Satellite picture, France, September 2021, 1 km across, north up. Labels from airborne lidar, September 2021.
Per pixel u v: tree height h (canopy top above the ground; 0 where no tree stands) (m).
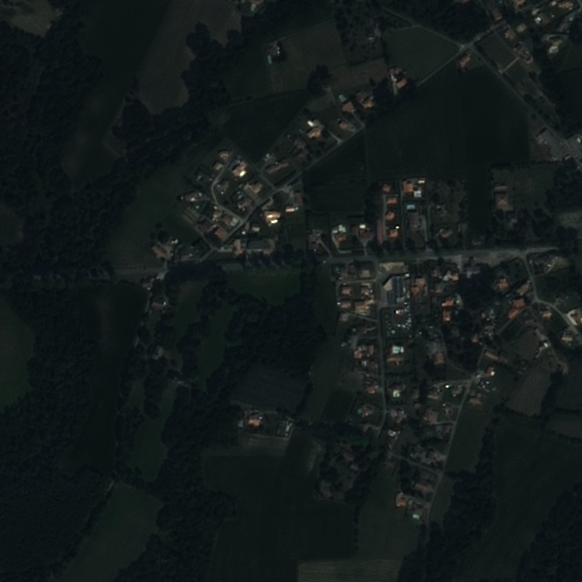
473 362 18
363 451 14
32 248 22
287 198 0
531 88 0
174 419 15
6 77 13
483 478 22
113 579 0
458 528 22
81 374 20
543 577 14
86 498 19
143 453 0
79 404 25
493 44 0
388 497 0
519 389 0
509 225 0
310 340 21
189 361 19
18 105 7
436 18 15
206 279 14
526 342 0
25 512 18
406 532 0
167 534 11
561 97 25
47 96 21
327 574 0
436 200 9
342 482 7
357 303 0
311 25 0
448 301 0
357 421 0
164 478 20
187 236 0
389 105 24
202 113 20
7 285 19
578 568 16
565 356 17
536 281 0
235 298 9
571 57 0
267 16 14
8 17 0
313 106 0
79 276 32
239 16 0
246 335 25
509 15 15
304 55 0
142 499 0
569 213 0
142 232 0
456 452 0
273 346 23
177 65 0
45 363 20
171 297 22
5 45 15
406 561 14
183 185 0
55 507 20
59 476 16
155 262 0
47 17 0
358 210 0
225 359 14
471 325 9
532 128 0
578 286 11
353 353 0
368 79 0
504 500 0
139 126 20
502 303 11
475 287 22
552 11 0
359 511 6
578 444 8
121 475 18
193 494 6
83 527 9
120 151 0
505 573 0
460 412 0
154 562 19
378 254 23
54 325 26
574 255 26
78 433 8
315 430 16
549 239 19
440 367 7
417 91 16
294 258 28
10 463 18
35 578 17
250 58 0
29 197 13
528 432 0
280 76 0
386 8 0
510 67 0
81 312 7
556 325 0
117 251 0
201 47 24
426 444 13
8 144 23
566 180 18
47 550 18
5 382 0
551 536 24
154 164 21
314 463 0
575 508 25
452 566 20
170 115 20
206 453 0
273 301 0
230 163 0
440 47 0
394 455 0
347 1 10
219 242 14
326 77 25
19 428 9
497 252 0
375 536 0
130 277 0
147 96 0
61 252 22
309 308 19
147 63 0
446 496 0
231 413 20
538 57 18
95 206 15
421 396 12
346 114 8
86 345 22
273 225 0
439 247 20
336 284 7
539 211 8
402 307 0
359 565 0
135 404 0
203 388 0
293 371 22
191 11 0
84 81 22
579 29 11
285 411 8
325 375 0
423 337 12
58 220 17
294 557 0
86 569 0
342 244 0
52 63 16
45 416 20
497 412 11
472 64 0
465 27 25
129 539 0
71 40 21
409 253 18
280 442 0
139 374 17
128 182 26
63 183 24
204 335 18
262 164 0
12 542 19
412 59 0
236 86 0
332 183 0
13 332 0
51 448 19
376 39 9
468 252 0
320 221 0
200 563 11
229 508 15
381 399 0
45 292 23
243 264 25
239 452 0
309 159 10
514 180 0
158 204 0
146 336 19
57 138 31
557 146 0
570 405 0
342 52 0
